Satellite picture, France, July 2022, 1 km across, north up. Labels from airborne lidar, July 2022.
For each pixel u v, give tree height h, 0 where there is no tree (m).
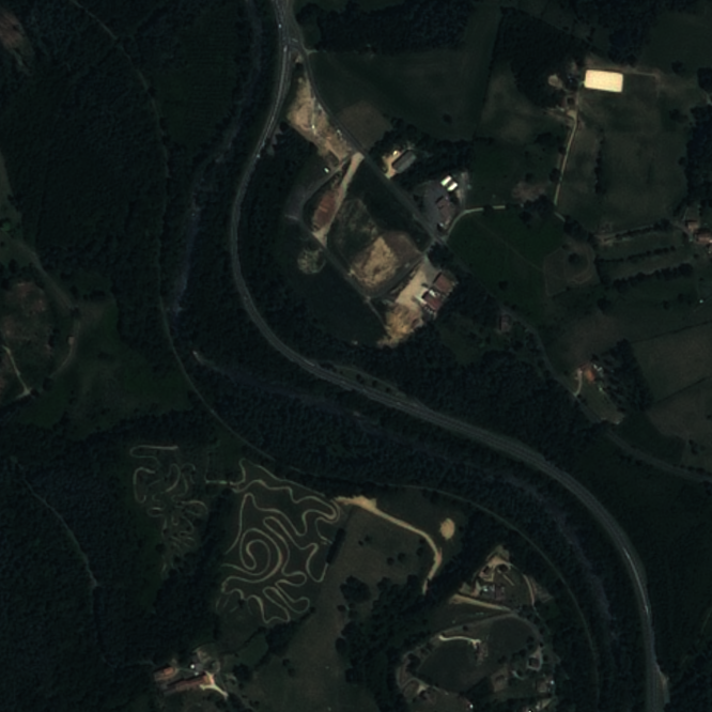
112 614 28
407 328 0
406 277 0
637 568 0
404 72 0
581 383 0
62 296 0
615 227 0
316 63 0
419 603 16
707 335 0
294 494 0
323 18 21
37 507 24
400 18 31
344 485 21
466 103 0
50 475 30
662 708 0
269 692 0
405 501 0
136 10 24
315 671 0
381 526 0
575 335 0
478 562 21
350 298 0
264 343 14
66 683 18
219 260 13
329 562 12
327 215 0
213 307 12
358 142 0
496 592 0
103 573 23
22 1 24
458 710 0
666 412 0
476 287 20
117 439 15
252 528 0
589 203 0
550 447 25
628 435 0
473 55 0
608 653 19
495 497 26
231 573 0
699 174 17
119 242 24
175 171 26
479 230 0
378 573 0
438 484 12
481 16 0
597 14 31
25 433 22
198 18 18
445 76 0
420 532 0
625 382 23
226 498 9
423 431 10
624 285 20
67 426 24
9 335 0
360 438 35
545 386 16
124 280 27
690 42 0
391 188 0
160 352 22
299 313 19
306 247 0
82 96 21
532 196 0
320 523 0
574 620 13
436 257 21
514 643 0
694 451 11
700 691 25
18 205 15
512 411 18
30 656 28
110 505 26
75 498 28
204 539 10
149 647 20
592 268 0
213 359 17
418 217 0
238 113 16
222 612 0
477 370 17
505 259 0
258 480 0
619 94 0
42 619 20
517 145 0
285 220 0
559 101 8
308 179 0
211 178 19
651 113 0
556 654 9
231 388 27
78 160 9
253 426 30
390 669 6
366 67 0
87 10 14
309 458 31
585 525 13
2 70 31
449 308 15
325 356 23
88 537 26
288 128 23
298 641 0
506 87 0
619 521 6
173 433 25
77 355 0
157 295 16
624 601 13
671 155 0
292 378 16
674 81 0
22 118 6
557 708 9
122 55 17
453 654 0
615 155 0
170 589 25
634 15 30
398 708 13
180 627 22
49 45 25
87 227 6
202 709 0
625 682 23
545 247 0
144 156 18
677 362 0
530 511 28
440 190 0
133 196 11
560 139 7
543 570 26
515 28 7
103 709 18
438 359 21
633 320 0
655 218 0
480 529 19
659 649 8
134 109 20
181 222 19
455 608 0
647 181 0
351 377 0
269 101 9
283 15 0
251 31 18
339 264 0
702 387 0
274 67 11
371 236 0
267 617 0
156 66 26
